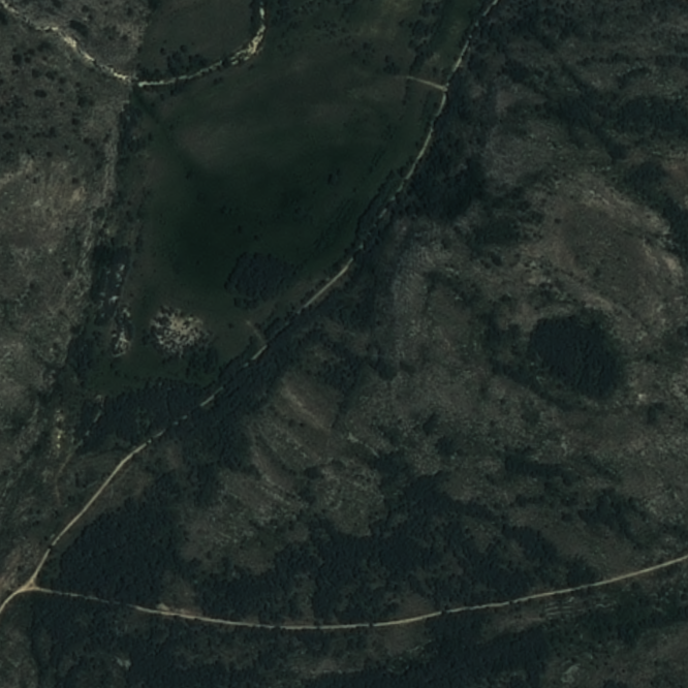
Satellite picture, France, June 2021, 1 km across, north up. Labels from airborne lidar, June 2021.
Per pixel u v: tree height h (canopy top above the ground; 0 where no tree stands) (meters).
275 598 8
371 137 0
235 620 9
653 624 7
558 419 0
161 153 0
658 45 0
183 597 0
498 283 0
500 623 0
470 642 9
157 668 10
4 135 7
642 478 0
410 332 0
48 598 9
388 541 12
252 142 0
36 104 0
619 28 0
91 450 6
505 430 0
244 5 0
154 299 0
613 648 0
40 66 0
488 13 7
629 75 6
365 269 8
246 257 12
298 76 0
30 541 0
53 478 0
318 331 7
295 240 0
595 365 8
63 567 11
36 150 0
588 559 0
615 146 7
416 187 15
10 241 0
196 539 0
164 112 0
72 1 0
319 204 0
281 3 8
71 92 0
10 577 0
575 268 0
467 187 14
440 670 14
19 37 0
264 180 0
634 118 7
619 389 0
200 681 9
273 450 0
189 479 8
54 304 0
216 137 0
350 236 0
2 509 0
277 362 11
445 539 8
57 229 0
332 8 0
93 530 12
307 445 0
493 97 0
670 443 0
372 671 12
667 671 0
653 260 0
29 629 7
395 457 11
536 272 0
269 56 0
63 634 10
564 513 6
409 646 0
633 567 0
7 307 0
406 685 14
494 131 0
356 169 0
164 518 9
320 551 8
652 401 0
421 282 0
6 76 0
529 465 8
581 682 0
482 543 0
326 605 12
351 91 0
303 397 0
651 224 0
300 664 0
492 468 0
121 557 15
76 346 7
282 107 0
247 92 0
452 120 6
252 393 10
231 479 0
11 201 0
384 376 6
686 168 0
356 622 9
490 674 7
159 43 0
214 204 0
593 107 9
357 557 11
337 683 9
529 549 8
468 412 0
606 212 0
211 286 0
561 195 0
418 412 0
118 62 0
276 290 9
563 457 0
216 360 6
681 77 0
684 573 0
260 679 8
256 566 0
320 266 0
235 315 0
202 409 11
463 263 0
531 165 0
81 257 0
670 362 0
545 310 0
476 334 0
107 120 0
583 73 0
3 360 0
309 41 0
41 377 0
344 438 0
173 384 9
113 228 0
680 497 0
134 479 0
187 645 9
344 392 6
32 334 0
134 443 7
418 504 8
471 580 8
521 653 13
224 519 0
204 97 0
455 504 9
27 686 0
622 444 0
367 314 7
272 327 10
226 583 11
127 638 8
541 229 0
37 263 0
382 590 6
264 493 0
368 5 0
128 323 7
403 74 0
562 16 7
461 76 8
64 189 0
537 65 0
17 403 0
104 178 0
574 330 14
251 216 0
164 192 0
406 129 0
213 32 0
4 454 0
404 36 0
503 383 0
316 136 0
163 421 10
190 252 0
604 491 7
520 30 7
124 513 8
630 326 0
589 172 0
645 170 7
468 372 0
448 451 7
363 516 0
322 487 0
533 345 9
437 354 0
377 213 8
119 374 9
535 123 0
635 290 0
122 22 0
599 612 8
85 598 6
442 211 14
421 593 8
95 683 0
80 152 0
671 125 9
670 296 0
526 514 0
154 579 15
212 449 8
